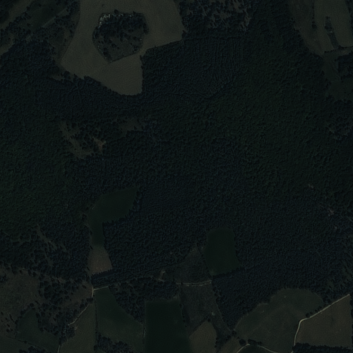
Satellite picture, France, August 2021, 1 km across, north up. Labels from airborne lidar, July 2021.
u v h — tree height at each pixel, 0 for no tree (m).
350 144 15
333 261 17
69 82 14
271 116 16
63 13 0
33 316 0
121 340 0
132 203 0
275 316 0
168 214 13
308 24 0
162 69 8
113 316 0
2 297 0
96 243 0
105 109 19
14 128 15
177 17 0
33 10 0
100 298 0
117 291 10
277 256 20
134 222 16
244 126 16
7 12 14
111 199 0
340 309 0
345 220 16
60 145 11
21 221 12
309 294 0
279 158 13
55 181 14
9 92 16
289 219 17
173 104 13
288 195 11
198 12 9
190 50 12
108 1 0
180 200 17
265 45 13
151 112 15
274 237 18
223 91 15
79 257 20
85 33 0
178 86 13
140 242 13
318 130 16
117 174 14
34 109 13
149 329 0
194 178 12
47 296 12
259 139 16
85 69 0
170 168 10
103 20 0
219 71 18
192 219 18
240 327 0
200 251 11
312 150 13
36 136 14
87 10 0
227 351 0
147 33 10
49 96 17
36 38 10
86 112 11
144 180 14
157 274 12
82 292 0
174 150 18
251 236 12
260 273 20
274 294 13
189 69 14
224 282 19
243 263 17
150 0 0
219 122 12
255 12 13
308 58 18
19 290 0
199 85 14
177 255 14
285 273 15
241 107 12
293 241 16
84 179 9
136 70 0
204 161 11
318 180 16
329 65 0
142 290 10
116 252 13
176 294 13
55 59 0
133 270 13
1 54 0
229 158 12
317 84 16
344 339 0
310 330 0
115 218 0
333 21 0
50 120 12
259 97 14
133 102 14
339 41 0
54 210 17
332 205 12
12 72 15
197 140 14
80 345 0
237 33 14
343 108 18
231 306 19
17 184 13
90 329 0
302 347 15
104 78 0
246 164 13
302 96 15
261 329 0
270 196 15
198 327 0
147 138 15
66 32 0
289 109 16
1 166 15
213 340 0
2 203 14
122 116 14
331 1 0
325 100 13
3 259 14
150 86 10
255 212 14
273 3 13
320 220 14
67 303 0
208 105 14
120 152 11
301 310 0
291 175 13
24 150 11
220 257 0
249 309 13
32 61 13
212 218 19
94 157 8
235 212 13
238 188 17
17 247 14
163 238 15
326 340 0
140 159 16
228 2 8
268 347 0
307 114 16
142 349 0
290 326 0
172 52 8
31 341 0
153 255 11
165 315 0
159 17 0
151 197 21
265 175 14
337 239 19
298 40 11
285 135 13
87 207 8
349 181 17
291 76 9
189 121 12
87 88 17
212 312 0
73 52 0
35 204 11
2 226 18
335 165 14
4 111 12
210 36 15
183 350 0
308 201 19
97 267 0
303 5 0
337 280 15
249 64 13
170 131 17
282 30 14
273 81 11
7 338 0
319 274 18
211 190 8
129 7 0
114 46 10
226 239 0
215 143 19
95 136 13
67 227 18
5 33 10
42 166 13
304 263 18
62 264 10
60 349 0
